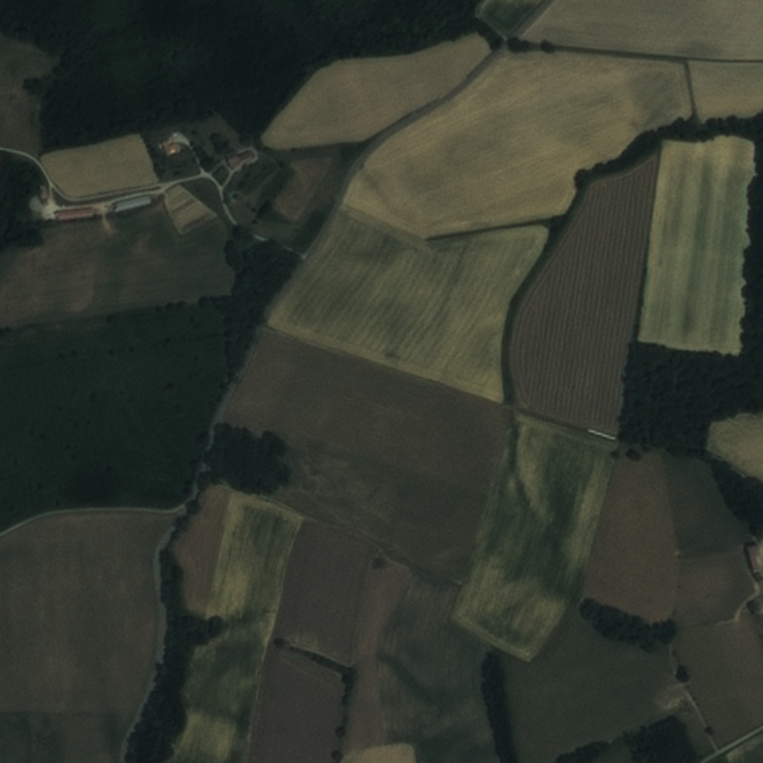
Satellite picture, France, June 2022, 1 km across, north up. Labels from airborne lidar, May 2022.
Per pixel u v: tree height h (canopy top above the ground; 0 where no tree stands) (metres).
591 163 0
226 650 0
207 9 10
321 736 0
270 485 19
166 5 11
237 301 18
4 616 0
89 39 11
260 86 13
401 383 0
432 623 0
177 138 0
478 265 0
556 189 0
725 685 0
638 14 0
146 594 0
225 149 7
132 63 0
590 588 0
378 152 0
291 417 0
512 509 0
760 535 14
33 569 0
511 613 0
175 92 8
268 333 0
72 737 0
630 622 16
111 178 0
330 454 0
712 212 0
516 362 0
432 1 14
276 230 0
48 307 0
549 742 0
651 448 8
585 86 0
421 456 0
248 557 0
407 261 0
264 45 12
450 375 0
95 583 0
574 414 0
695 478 0
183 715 10
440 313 0
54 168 0
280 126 0
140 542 0
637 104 0
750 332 13
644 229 0
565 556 0
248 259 18
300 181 0
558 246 0
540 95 0
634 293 0
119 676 0
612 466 0
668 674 0
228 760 0
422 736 0
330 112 0
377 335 0
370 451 0
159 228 0
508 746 19
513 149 0
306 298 0
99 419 0
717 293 0
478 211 0
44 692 0
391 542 0
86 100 6
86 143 10
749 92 0
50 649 0
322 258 0
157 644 0
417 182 0
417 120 0
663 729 15
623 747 0
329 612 0
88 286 0
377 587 0
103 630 0
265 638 0
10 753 0
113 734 0
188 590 0
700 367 24
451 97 0
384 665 0
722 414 18
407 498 0
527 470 0
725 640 0
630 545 0
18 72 0
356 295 0
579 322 0
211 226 0
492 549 0
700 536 0
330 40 9
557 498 0
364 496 0
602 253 0
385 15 11
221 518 0
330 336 0
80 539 0
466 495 0
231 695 0
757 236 15
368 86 0
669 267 0
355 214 0
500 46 10
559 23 0
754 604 8
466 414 0
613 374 0
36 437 8
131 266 0
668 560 0
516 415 0
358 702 0
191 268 0
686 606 0
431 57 0
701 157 0
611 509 0
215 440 7
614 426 0
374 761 0
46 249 0
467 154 0
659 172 0
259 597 0
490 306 0
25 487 0
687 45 0
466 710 0
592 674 0
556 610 0
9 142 0
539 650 0
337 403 0
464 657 0
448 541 0
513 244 0
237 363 14
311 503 0
